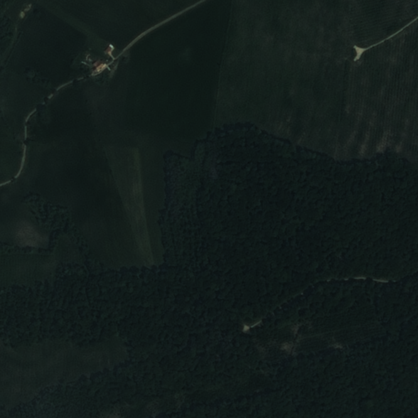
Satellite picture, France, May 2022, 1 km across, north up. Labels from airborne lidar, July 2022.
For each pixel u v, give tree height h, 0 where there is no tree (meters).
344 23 0
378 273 30
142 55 0
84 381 24
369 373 28
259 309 24
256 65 0
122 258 0
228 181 23
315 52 0
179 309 25
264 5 0
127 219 0
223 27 0
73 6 0
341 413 24
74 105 0
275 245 28
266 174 34
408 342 25
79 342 9
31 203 22
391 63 0
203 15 0
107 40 0
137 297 26
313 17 0
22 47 0
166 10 0
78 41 0
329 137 0
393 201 26
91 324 7
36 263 0
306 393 27
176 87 0
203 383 27
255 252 29
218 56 0
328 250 25
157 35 0
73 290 27
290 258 33
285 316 25
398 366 29
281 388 19
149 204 0
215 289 27
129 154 0
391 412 30
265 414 19
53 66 0
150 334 30
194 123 0
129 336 26
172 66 0
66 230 17
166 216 20
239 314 32
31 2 0
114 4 0
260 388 8
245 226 33
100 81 8
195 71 0
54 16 0
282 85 0
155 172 0
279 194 29
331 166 30
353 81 0
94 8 0
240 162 32
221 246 27
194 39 0
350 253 24
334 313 12
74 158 0
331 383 27
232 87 0
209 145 21
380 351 29
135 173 0
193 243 12
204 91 0
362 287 21
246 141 32
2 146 0
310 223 28
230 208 29
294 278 24
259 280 31
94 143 0
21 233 0
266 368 25
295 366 21
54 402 20
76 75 0
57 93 11
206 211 31
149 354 29
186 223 10
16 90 0
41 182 0
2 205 0
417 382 26
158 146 0
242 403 27
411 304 24
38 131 0
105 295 24
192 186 24
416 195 26
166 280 27
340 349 11
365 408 32
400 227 30
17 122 0
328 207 28
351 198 27
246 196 32
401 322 29
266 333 6
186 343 14
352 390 25
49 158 0
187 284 32
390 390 25
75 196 0
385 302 25
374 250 22
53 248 23
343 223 26
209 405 7
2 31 25
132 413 6
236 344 28
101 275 23
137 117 0
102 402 21
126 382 24
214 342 27
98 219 0
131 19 0
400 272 25
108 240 0
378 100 0
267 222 28
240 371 24
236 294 30
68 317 21
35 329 21
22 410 19
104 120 0
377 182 28
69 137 0
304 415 26
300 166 32
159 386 23
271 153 32
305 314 25
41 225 11
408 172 20
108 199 0
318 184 27
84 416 15
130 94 0
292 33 0
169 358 31
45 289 19
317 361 26
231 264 34
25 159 0
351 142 0
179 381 26
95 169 0
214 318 23
